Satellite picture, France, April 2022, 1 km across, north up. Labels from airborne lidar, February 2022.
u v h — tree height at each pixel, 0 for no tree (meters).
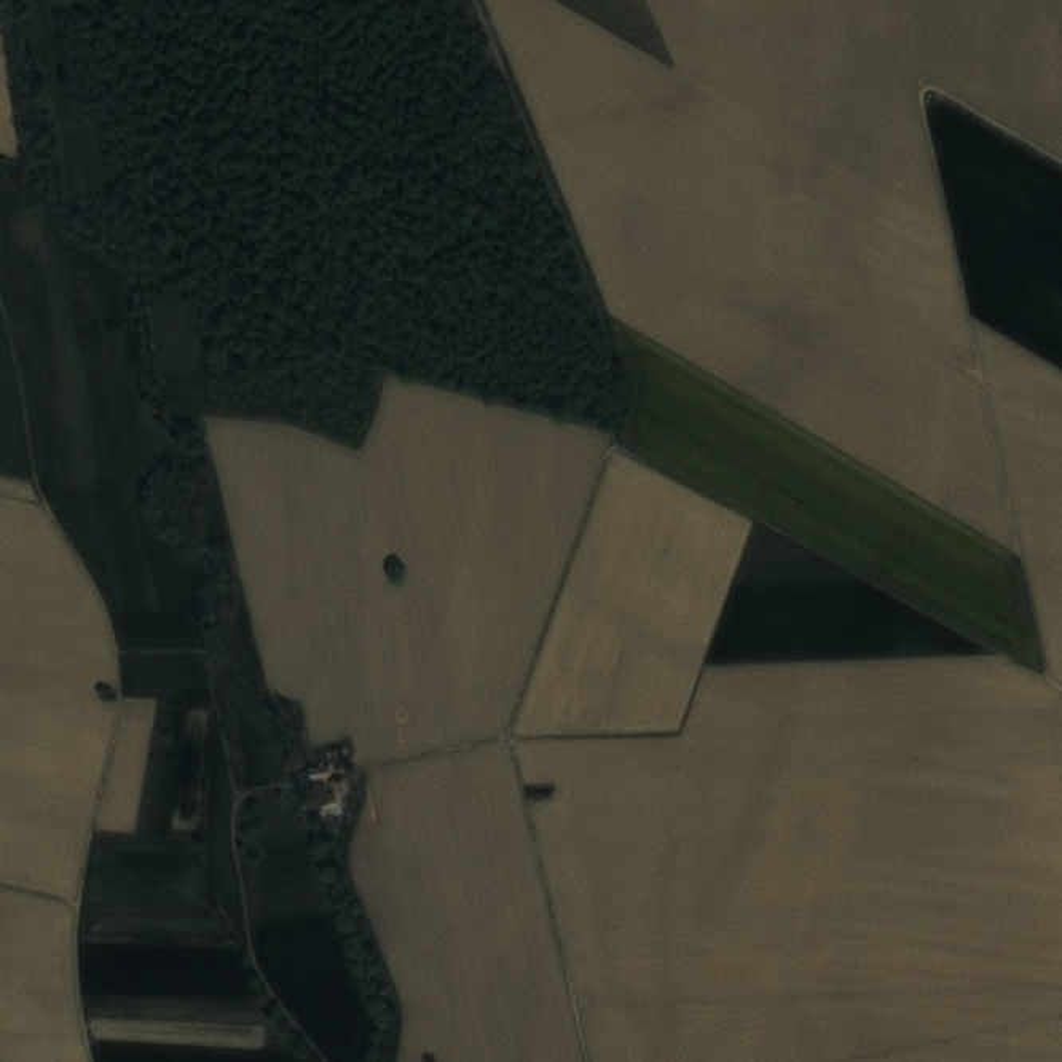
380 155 15
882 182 0
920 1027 0
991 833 0
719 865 0
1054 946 0
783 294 0
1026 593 0
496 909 0
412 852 0
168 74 14
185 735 0
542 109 0
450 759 0
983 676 0
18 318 0
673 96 0
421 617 0
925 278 0
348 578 0
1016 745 0
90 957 0
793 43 0
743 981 0
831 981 0
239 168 12
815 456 0
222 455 0
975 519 0
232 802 0
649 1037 0
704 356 0
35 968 0
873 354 0
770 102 0
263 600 0
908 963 0
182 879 0
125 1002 0
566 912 0
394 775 0
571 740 0
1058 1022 0
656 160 0
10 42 18
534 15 0
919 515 0
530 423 0
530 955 0
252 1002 0
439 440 0
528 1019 0
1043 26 0
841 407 0
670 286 0
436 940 0
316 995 0
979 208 0
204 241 7
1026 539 0
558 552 0
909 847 0
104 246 14
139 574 0
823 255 0
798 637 0
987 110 0
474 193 15
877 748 0
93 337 0
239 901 0
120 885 0
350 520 0
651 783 0
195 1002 0
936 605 0
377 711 0
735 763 0
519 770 0
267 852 0
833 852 0
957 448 0
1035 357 0
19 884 0
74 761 0
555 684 0
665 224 0
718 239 0
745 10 0
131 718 0
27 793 0
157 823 0
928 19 0
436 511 0
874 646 0
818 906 0
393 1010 17
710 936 0
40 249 0
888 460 0
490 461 0
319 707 0
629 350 0
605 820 0
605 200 0
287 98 20
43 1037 0
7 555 0
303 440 0
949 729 0
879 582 0
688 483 0
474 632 0
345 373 20
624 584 0
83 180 0
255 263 20
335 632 0
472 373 16
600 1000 0
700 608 0
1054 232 0
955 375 0
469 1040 0
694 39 0
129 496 0
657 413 0
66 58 14
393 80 20
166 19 22
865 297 0
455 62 17
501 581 0
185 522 19
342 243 16
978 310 0
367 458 0
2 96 0
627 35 0
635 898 0
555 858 0
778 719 0
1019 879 0
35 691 0
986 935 0
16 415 0
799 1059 0
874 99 0
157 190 21
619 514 0
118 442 0
